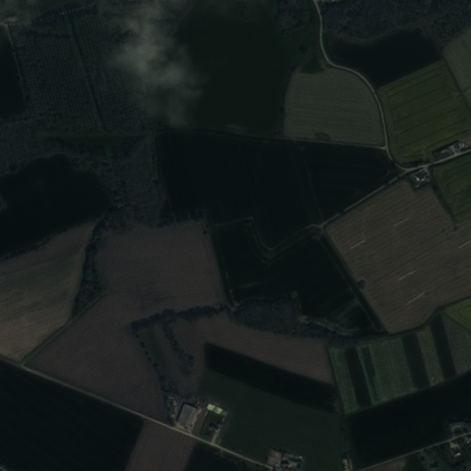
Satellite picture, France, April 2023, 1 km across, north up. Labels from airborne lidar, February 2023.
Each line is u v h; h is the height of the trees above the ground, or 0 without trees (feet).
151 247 0
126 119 100
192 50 0
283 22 35
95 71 88
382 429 0
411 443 0
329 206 0
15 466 0
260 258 0
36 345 0
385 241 0
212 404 0
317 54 0
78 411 0
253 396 0
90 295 55
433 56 0
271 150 0
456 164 0
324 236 0
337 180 0
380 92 0
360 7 44
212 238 0
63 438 0
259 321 66
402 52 0
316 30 0
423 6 42
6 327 0
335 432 0
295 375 0
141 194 64
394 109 0
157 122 0
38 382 0
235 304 0
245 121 0
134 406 0
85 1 0
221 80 0
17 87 0
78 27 111
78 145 0
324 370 0
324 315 0
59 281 0
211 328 0
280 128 0
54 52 118
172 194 0
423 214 0
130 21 35
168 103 0
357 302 0
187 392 0
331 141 0
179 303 0
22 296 0
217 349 0
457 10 107
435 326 0
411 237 0
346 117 0
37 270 0
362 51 0
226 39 0
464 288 0
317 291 0
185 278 0
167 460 0
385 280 0
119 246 0
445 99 0
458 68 0
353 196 0
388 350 0
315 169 0
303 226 0
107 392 0
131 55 86
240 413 0
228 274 0
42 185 0
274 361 0
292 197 0
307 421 0
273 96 0
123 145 0
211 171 0
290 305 53
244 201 0
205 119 0
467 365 0
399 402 0
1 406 0
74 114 91
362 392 0
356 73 0
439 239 0
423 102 0
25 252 32
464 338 0
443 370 0
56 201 0
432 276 0
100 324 0
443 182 0
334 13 47
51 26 104
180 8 56
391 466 0
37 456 0
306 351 0
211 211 0
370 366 0
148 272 0
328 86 0
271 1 0
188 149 0
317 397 0
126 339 0
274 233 0
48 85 110
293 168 0
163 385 31
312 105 0
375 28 68
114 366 0
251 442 0
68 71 113
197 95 0
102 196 0
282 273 0
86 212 0
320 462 0
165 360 0
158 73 23
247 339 0
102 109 105
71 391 0
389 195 0
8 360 0
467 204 0
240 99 0
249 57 0
